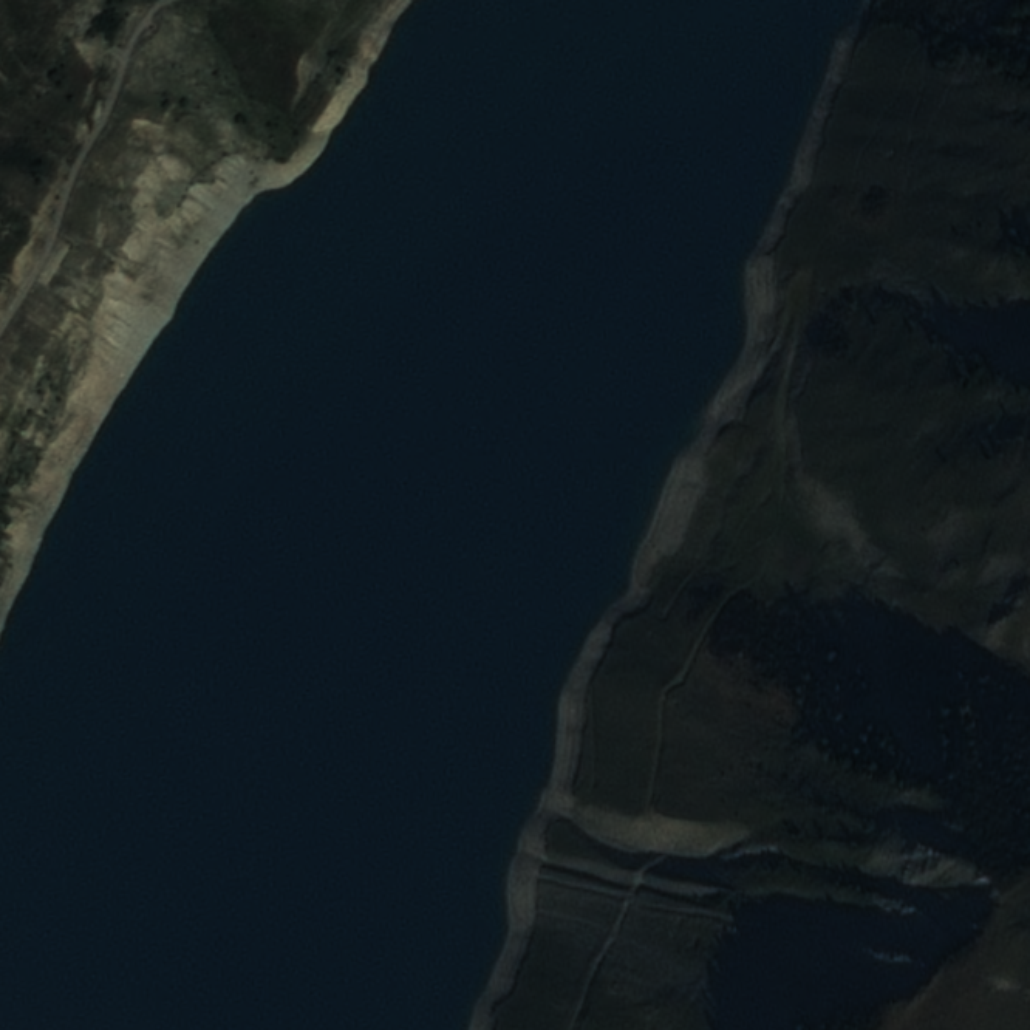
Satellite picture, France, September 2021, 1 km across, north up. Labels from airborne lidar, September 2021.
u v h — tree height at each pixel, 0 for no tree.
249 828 0
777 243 0
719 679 0
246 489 0
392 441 0
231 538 0
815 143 0
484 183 0
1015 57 6
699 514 0
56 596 0
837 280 0
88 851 0
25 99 0
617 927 0
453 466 0
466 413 0
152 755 0
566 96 0
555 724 0
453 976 0
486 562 0
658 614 0
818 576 0
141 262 0
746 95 0
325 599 0
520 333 0
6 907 0
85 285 0
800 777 0
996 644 0
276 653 0
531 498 0
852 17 0
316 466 0
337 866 0
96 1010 0
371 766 0
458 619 0
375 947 0
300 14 0
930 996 0
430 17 0
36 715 0
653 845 0
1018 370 0
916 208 0
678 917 0
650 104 0
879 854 0
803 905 0
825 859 0
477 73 0
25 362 0
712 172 0
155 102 0
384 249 0
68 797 0
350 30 0
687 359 0
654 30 0
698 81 0
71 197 0
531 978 0
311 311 0
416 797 0
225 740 0
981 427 0
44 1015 0
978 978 0
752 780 0
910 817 0
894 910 0
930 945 0
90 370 0
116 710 0
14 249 0
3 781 0
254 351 0
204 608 0
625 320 0
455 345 0
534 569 0
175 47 0
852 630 0
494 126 0
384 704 0
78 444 0
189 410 0
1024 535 0
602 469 0
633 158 0
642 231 0
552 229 0
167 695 0
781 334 0
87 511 0
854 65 0
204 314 0
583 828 0
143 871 0
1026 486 0
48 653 0
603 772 0
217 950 0
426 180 0
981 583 0
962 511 0
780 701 0
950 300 0
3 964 0
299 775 0
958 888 0
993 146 0
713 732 0
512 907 0
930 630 0
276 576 0
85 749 0
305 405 0
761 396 0
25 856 0
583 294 0
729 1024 0
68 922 0
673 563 0
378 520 0
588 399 0
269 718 0
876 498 0
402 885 0
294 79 0
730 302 0
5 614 0
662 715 0
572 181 0
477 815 0
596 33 0
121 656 0
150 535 0
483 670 0
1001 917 0
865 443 0
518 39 0
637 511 0
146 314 0
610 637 0
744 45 0
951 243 0
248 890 0
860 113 0
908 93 0
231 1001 0
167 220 0
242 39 0
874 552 0
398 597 0
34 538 0
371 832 0
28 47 0
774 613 0
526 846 0
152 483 0
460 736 0
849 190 0
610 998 0
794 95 0
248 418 0
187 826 0
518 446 0
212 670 0
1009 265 0
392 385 0
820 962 0
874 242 0
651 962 0
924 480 0
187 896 0
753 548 0
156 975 0
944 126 0
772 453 0
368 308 0
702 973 0
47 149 0
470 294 0
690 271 0
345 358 0
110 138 0
